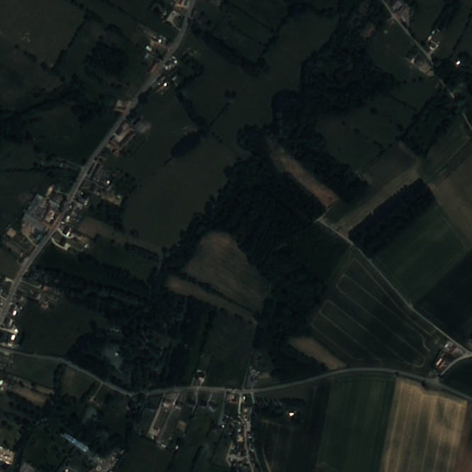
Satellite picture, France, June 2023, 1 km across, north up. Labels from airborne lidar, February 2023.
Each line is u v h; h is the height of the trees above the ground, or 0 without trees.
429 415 0
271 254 25
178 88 11
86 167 0
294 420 12
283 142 12
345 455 0
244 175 9
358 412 0
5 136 32
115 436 13
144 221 0
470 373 0
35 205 0
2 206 0
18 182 0
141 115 0
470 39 0
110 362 9
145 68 0
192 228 13
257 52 0
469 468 0
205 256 0
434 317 0
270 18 0
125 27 0
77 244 0
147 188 0
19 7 0
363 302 0
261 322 23
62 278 15
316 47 0
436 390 0
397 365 0
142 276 0
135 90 0
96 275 0
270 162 34
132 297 21
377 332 0
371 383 0
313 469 0
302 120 11
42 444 0
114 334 0
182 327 0
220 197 8
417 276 0
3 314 0
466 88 0
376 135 0
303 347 0
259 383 0
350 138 0
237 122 0
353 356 0
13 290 0
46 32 0
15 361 0
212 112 0
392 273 0
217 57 0
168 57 0
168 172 0
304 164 34
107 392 0
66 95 10
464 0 0
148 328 18
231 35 0
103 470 0
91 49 0
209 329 7
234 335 0
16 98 0
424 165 0
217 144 0
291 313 11
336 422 0
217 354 0
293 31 0
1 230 0
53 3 0
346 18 6
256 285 0
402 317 0
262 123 0
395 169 0
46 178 0
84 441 22
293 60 0
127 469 0
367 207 0
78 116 0
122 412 0
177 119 0
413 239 0
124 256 0
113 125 0
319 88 30
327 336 0
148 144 0
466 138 0
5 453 0
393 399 0
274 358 9
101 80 10
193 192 0
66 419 21
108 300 13
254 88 0
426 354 0
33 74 0
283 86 0
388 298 0
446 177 0
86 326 0
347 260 0
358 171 0
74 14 0
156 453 0
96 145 0
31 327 0
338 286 0
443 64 8
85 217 0
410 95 0
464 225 0
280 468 0
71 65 0
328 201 20
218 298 0
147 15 0
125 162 0
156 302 22
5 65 0
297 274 32
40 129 0
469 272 0
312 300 14
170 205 0
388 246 0
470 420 0
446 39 0
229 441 0
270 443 0
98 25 0
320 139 21
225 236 0
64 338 0
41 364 0
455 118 17
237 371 0
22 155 0
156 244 0
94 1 0
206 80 0
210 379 0
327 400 0
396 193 0
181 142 0
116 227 12
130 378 0
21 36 0
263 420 0
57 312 0
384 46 0
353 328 0
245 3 0
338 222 0
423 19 0
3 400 0
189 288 0
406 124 0
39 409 14
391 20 0
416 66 0
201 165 0
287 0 11
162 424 0
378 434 0
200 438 0
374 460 0
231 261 0
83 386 0
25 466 0
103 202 7
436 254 0
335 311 0
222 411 0
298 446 0
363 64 29
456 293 0
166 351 9
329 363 0
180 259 21
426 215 0
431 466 0
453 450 0
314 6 9
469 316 0
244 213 18
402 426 0
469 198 0
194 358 0
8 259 0
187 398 0
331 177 24
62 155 0
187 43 0
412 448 0
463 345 0
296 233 13
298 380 0
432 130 0
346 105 23
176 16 0
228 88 0
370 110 0
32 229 0
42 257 0
